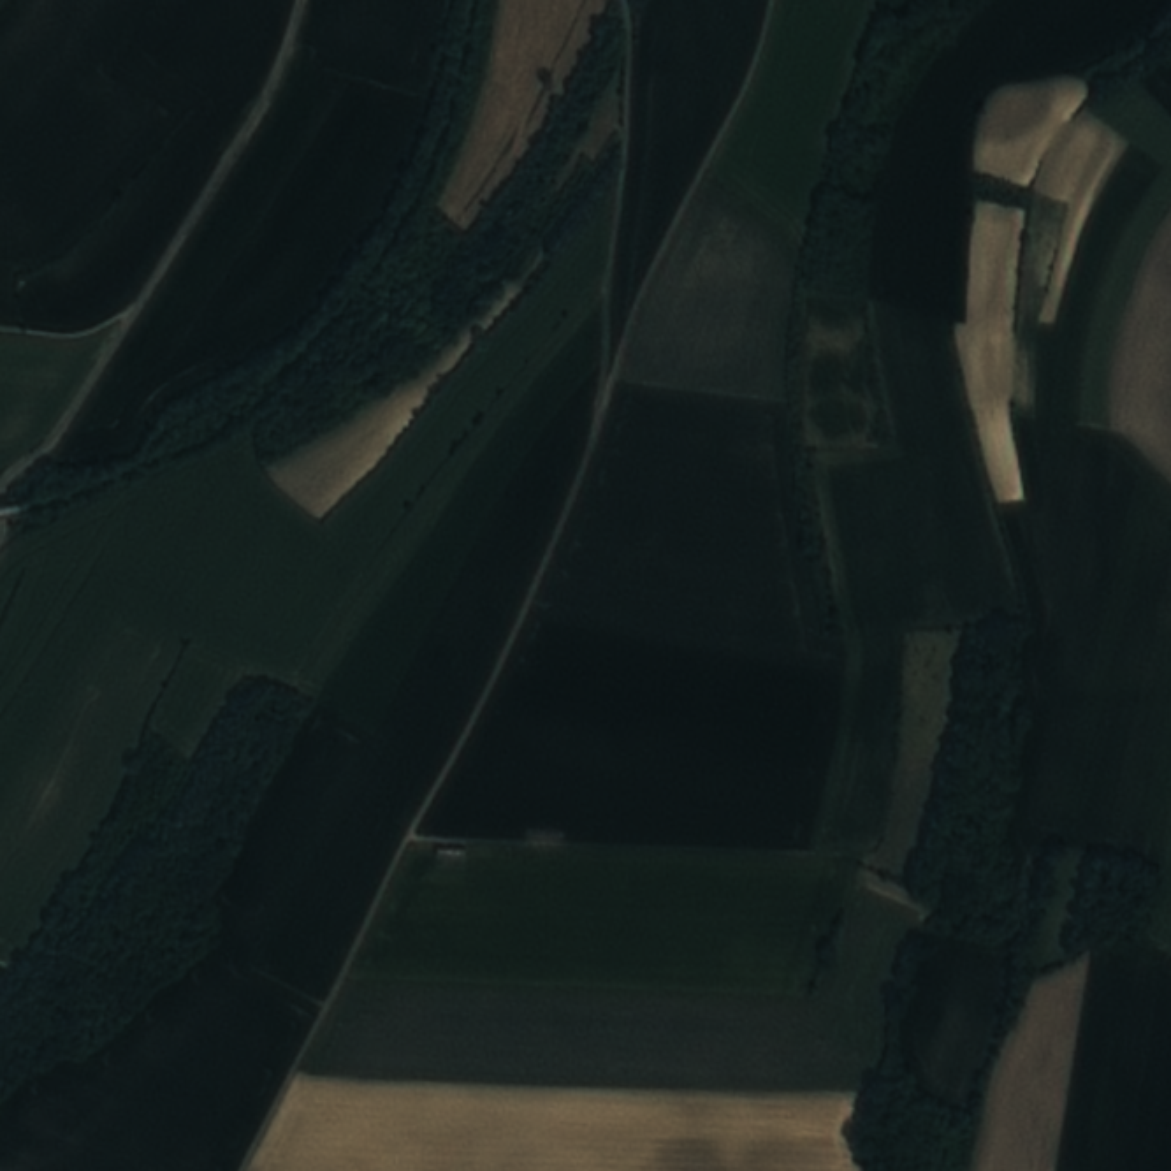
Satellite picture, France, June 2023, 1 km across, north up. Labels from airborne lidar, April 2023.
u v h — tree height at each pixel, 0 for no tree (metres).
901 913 0
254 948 0
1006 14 0
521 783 0
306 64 0
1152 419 0
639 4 16
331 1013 0
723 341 0
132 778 7
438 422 0
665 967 0
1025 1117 0
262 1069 0
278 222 0
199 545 0
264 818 0
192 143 0
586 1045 0
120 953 18
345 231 0
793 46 0
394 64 0
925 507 0
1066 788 0
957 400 0
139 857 21
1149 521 0
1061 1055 0
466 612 0
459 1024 0
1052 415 0
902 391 0
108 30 0
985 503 0
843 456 0
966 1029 0
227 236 0
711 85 0
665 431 0
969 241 0
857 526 0
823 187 14
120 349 0
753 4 0
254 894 0
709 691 0
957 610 0
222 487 0
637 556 0
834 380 0
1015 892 19
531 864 0
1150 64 5
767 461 0
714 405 0
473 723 0
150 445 8
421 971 0
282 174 0
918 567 0
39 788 0
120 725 0
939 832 24
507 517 0
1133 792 0
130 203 0
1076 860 0
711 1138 0
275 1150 0
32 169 0
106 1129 0
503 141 0
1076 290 0
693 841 0
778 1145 0
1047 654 0
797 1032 0
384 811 0
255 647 0
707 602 0
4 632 0
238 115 0
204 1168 0
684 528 0
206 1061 0
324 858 0
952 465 0
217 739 11
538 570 0
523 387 0
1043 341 0
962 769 29
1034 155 0
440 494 0
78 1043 18
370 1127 0
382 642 0
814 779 0
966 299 0
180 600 0
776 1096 0
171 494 0
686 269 0
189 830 20
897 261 0
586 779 0
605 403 0
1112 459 0
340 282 13
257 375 15
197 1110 0
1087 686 0
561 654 0
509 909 0
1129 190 0
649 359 0
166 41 0
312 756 0
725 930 0
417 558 0
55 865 0
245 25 0
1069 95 0
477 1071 0
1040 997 0
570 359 0
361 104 0
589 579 0
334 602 0
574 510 0
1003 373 0
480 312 9
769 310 0
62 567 0
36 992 16
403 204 7
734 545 0
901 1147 17
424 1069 0
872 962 0
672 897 0
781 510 0
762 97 0
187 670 0
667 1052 0
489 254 11
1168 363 0
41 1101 0
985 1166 0
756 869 0
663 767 0
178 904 16
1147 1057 0
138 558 0
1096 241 0
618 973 0
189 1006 0
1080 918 15
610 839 0
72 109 0
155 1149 0
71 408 0
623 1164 0
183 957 17
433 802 0
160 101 0
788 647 0
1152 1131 0
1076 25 0
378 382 18
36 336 0
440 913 0
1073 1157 0
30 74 0
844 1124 0
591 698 0
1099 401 0
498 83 0
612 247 0
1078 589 0
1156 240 0
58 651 0
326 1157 0
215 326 0
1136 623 0
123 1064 0
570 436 0
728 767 0
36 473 10
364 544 0
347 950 0
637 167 0
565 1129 0
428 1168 0
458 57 6
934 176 0
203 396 13
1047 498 0
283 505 0
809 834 0
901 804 0
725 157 0
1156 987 0
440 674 0
